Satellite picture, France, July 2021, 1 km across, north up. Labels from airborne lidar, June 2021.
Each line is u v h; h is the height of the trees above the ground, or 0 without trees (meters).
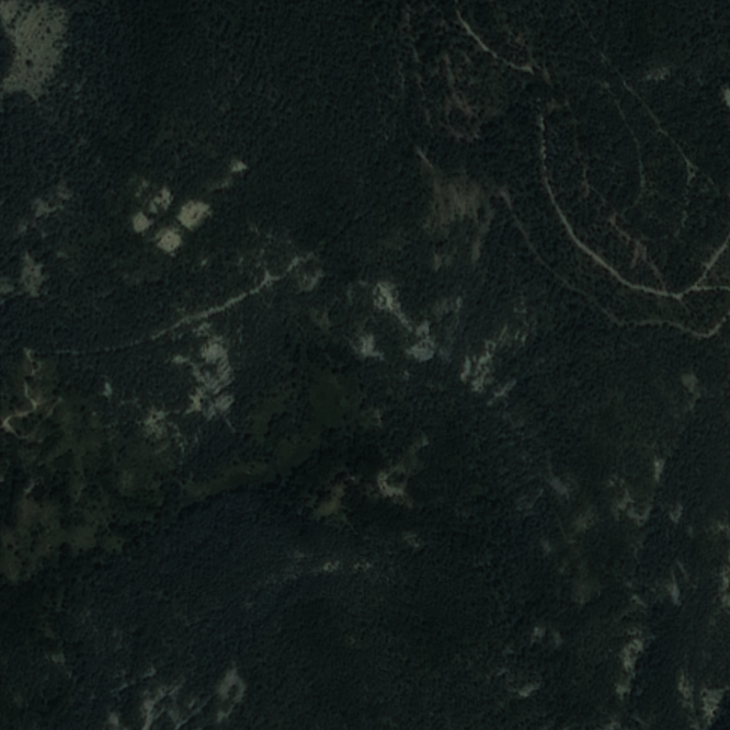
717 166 9
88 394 7
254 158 12
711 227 8
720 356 6
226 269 8
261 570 7
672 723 8
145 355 9
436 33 12
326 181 12
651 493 7
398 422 10
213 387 0
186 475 8
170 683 6
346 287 8
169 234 0
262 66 15
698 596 7
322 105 14
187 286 11
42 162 11
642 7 7
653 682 8
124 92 12
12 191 12
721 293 10
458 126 9
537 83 13
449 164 12
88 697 8
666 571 8
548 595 10
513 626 8
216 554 9
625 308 12
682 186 7
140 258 9
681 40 7
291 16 13
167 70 8
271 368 10
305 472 13
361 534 12
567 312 14
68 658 16
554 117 13
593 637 10
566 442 11
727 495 8
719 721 8
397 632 15
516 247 7
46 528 8
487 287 10
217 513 14
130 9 8
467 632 11
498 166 12
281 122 14
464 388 7
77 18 10
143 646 10
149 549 12
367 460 14
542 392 8
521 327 10
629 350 8
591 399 11
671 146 10
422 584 15
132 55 10
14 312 14
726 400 7
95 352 9
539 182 9
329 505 0
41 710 14
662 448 8
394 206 17
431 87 8
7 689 6
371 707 11
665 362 7
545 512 9
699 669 7
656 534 9
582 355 13
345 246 13
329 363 13
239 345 6
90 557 11
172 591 10
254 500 16
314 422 6
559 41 8
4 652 8
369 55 13
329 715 14
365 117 14
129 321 13
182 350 9
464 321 6
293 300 10
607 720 6
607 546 10
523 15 11
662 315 11
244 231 9
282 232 8
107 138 11
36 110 8
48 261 16
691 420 8
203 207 0
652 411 11
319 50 15
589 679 6
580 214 11
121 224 10
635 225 9
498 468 10
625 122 9
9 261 10
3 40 7
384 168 12
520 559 12
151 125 9
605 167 12
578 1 11
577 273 12
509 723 14
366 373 20
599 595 8
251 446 9
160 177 11
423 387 10
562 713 12
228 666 7
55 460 6
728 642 7
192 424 8
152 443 7
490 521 17
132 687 9
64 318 12
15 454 6
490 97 8
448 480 7
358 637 7
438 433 14
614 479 5
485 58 11
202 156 8
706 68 9
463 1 14
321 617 7
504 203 10
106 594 9
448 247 6
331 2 12
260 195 12
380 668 11
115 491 10
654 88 7
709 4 13
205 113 8
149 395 6
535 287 11
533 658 17
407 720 10
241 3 16
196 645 7
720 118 6
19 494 8
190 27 9
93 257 9
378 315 9
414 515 11
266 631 8
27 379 10
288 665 13
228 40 13
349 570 6
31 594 17
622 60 10
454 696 12
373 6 15
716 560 9
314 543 10
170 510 12
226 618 8
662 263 7
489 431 11
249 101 6
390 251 8
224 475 6
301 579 7
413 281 10
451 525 16
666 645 9
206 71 10
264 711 9
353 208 7
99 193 12
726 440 7
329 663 11
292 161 13
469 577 9
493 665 7
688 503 8
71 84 8
